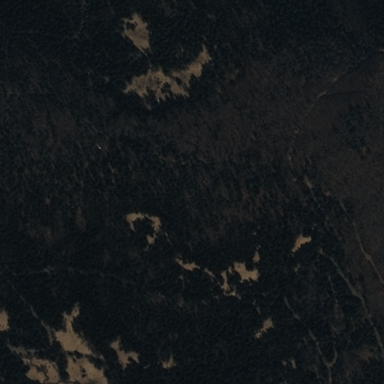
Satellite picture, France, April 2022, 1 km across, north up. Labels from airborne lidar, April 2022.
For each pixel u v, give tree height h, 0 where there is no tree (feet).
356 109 33
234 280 74
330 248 77
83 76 36
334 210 45
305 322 81
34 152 63
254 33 88
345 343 37
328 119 44
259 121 80
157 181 71
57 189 65
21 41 83
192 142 36
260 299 72
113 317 77
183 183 86
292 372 77
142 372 71
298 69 33
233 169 40
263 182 44
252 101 48
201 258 73
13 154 60
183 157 65
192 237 80
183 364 98
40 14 100
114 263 65
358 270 51
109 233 60
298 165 41
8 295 72
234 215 53
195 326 69
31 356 41
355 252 41
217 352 89
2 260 74
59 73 96
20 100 72
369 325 77
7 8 101
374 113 39
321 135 46
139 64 69
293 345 88
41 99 69
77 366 0
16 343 85
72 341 0
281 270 80
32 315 96
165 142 64
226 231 72
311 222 60
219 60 92
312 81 35
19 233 77
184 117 60
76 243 66
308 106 31
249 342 74
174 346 81
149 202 81
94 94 66
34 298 88
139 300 88
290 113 39
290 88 29
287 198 39
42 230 71
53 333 44
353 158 56
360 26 47
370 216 55
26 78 72
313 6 43
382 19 56
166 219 64
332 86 42
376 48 33
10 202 56
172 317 71
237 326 94
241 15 100
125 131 54
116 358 58
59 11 94
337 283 83
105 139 44
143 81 0
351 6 57
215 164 50
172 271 62
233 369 76
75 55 105
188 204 59
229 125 58
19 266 43
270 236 64
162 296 26
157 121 27
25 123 69
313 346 68
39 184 36
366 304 54
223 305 83
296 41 70
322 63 91
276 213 42
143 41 0
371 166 58
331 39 93
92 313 85
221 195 55
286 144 47
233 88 42
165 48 66
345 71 60
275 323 52
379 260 30
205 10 85
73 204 67
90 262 65
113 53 63
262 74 74
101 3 95
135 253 61
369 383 46
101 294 52
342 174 66
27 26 104
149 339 100
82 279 79
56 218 57
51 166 59
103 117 91
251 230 73
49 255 88
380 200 59
